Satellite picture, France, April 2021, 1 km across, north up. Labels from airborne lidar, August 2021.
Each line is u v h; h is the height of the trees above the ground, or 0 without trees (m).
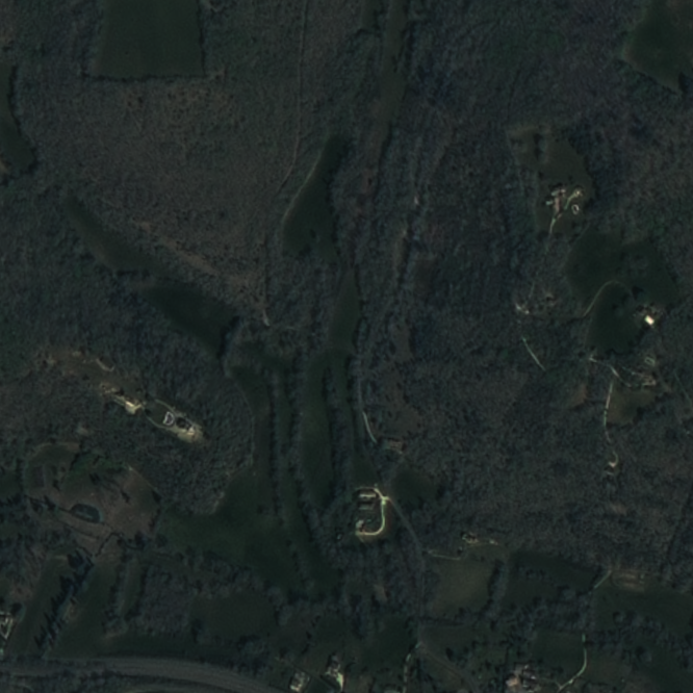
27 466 24
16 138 0
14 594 0
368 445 16
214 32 20
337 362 0
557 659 0
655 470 14
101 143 14
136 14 0
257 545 0
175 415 0
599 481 17
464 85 18
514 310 11
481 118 10
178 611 18
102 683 14
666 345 20
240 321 11
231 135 12
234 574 29
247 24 16
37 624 0
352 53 24
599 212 23
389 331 11
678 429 16
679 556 16
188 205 10
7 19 6
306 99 16
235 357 30
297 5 10
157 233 12
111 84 14
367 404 15
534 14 23
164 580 15
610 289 0
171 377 23
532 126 17
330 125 19
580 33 17
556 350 11
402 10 0
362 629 33
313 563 0
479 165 6
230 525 0
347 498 22
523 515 12
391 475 22
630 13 20
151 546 24
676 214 25
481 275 9
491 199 17
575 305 19
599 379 19
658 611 0
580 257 0
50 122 8
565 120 16
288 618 15
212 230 13
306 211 0
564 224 0
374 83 9
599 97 16
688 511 11
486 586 0
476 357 11
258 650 19
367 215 21
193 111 7
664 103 17
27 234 16
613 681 0
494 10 21
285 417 0
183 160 14
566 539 17
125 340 16
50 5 21
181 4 0
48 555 16
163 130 10
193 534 0
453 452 12
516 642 16
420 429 7
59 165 19
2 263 21
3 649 6
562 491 20
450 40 14
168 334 23
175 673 0
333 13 15
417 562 17
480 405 12
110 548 0
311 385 0
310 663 0
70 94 14
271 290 19
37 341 13
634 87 17
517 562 0
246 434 8
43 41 21
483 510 15
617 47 21
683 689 0
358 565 28
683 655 10
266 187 13
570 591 12
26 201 23
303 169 13
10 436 20
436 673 0
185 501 19
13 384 12
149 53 0
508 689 8
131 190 10
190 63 0
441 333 18
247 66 18
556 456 16
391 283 19
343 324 0
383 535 0
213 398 9
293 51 11
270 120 16
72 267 28
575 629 21
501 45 18
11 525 14
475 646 7
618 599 8
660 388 12
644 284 0
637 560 11
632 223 22
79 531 0
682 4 0
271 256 19
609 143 14
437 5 13
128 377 17
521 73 11
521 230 22
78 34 13
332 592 0
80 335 13
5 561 24
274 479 15
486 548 0
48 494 0
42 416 19
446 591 0
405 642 0
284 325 20
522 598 0
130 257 0
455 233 8
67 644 0
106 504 28
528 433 9
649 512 20
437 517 17
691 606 0
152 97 13
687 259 19
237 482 0
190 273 14
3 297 19
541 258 21
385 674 9
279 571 0
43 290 19
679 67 0
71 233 19
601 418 15
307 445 0
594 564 20
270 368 0
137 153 14
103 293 22
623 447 20
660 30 0
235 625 0
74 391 15
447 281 10
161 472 8
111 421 14
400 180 11
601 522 16
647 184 16
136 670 0
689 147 14
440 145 12
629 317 0
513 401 12
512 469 16
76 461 7
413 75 18
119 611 19
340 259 10
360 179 7
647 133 25
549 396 8
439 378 12
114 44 0
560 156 0
